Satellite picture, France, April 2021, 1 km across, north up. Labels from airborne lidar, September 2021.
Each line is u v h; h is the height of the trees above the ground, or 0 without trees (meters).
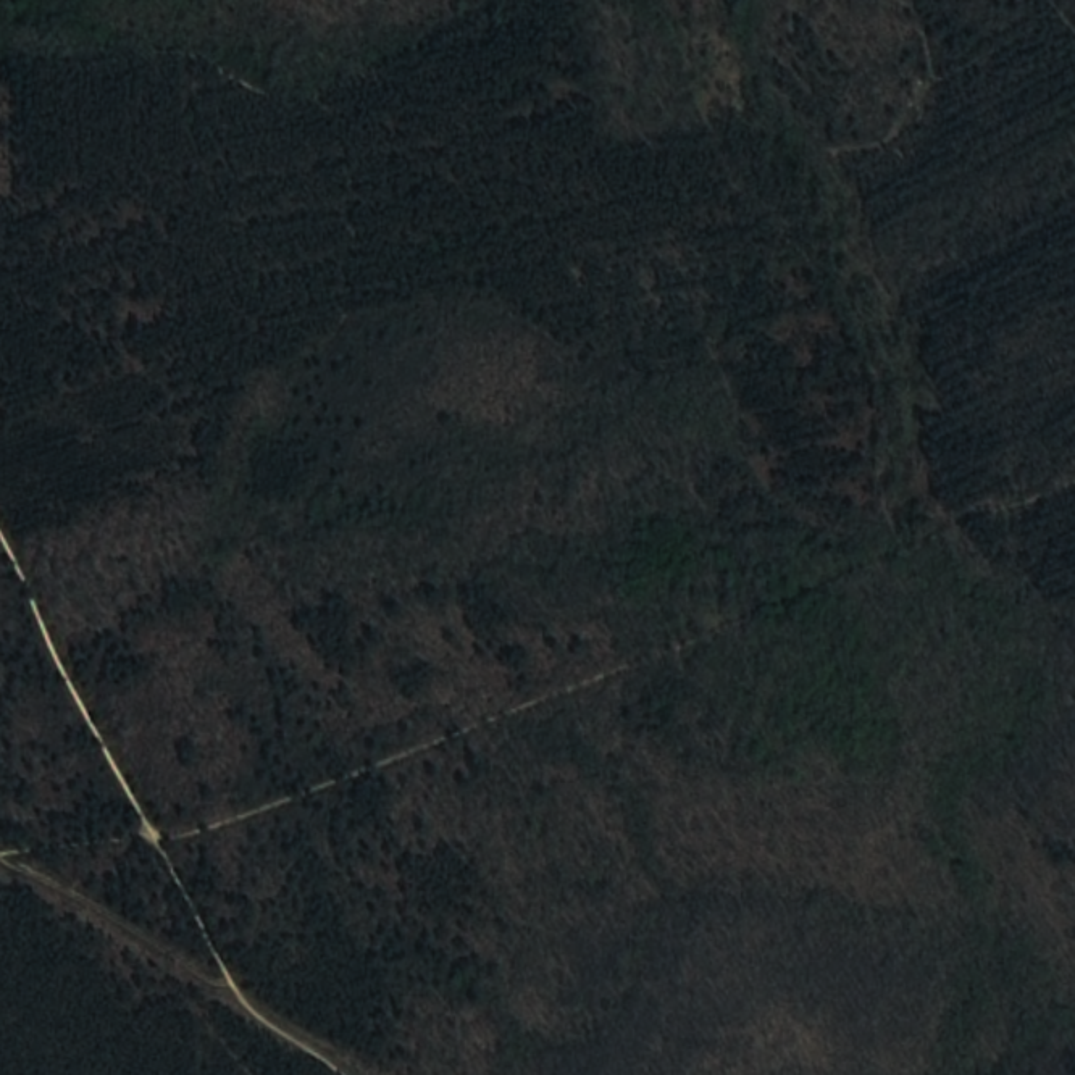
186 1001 19
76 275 18
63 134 22
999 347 12
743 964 15
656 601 19
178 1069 13
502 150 22
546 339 9
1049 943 19
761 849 18
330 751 12
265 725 6
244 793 9
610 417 21
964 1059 23
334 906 15
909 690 22
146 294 19
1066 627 21
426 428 8
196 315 20
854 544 20
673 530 20
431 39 13
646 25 13
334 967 19
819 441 10
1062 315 13
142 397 7
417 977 10
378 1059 20
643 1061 16
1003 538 20
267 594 6
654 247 9
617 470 13
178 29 12
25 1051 18
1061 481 9
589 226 19
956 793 21
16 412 19
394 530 7
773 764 20
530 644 10
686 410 21
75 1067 15
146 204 20
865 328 21
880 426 17
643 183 22
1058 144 14
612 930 18
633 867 17
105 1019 19
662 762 17
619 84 14
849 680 24
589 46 18
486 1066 16
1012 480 9
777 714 20
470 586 15
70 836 18
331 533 17
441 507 9
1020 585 19
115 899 13
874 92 10
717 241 22
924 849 20
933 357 18
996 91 12
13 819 10
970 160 19
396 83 22
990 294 18
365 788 15
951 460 19
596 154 16
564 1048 17
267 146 17
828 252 16
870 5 15
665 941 18
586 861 18
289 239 17
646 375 13
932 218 12
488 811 15
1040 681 24
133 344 18
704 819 14
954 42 21
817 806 16
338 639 21
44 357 21
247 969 17
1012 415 8
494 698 8
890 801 19
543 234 20
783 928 21
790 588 21
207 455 19
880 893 19
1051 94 10
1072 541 18
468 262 20
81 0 19
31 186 19
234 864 10
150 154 18
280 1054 18
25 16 10
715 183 19
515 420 9
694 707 16
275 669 7
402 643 14
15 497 8
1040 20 12
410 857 10
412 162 20
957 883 19
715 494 24
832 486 8
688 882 21
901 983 21
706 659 21
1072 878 16
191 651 11
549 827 14
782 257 19
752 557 20
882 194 13
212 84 21
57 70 23
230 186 17
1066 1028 19
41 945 20
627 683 14
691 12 18
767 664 21
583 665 7
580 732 15
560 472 14
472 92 21
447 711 10
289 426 10
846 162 7
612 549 20
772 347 19
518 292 19
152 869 19
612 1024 20
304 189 18
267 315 18
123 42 17
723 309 13
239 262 18
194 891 18
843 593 22
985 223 10
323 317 15
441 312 8
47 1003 17
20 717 9
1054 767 19
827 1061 19
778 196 22
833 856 19
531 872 15
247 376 19
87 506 10
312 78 18
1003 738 22
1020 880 18
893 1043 18
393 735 9
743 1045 14
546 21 24
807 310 9
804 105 20
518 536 12
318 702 7
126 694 8
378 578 14
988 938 23
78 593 15
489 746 7
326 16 12
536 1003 15
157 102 21
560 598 16
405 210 21
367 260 18
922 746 23
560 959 16
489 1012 10
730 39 24
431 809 10
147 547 12
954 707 26
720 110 17
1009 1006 22
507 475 8
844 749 21
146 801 9
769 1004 15
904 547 13
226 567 9
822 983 21
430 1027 11
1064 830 18
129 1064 15
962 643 22
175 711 7
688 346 17
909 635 24
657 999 16
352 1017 16
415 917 9
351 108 21
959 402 14
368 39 15
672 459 14
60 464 8
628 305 13
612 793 15
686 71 20
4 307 22
